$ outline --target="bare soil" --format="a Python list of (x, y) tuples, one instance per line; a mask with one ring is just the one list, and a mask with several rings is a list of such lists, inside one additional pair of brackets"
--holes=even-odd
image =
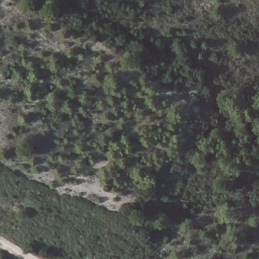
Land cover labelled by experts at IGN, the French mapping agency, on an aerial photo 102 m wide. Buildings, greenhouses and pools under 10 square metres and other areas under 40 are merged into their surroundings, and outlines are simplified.
[(104, 205), (109, 210), (119, 210), (120, 206), (126, 203), (135, 202), (137, 199), (133, 195), (104, 191), (98, 178), (94, 176), (80, 175), (77, 179), (80, 179), (82, 184), (67, 183), (59, 186), (51, 170), (34, 173), (32, 178), (38, 182), (49, 184), (53, 181), (53, 186), (60, 194), (79, 195), (80, 192), (87, 192), (107, 197), (107, 200), (100, 202), (99, 205)]

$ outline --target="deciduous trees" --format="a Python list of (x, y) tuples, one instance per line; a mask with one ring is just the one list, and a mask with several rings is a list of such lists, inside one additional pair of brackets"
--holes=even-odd
[(239, 52), (236, 51), (234, 41), (228, 45), (225, 38), (194, 38), (185, 35), (179, 40), (179, 44), (174, 40), (172, 44), (168, 37), (163, 36), (155, 28), (124, 27), (111, 18), (102, 18), (94, 0), (10, 0), (7, 6), (17, 6), (23, 12), (35, 11), (39, 18), (45, 21), (54, 19), (51, 27), (55, 31), (65, 27), (65, 37), (78, 37), (81, 41), (91, 39), (102, 42), (109, 49), (115, 49), (115, 53), (121, 55), (119, 62), (121, 71), (131, 71), (140, 66), (145, 74), (146, 87), (152, 91), (166, 91), (166, 95), (169, 95), (168, 101), (172, 103), (168, 108), (167, 128), (174, 131), (175, 123), (179, 122), (182, 125), (182, 137), (177, 140), (179, 163), (164, 163), (159, 170), (148, 166), (140, 171), (133, 168), (133, 174), (129, 177), (133, 179), (134, 185), (142, 190), (150, 186), (155, 190), (149, 201), (141, 197), (137, 199), (135, 202), (126, 203), (129, 208), (137, 210), (138, 217), (144, 217), (142, 226), (138, 226), (135, 232), (144, 231), (145, 236), (150, 237), (150, 240), (147, 240), (151, 249), (150, 259), (259, 259), (259, 97), (253, 96), (252, 93), (228, 92), (223, 90), (222, 85), (213, 84), (214, 78), (223, 75), (230, 68), (209, 61), (210, 48), (227, 46), (228, 54), (235, 59), (240, 58)]

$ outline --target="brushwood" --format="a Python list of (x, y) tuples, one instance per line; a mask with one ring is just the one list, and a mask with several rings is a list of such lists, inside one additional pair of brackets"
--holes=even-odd
[(227, 22), (222, 16), (213, 21), (205, 9), (196, 12), (192, 0), (94, 0), (102, 18), (111, 18), (124, 27), (155, 28), (163, 36), (168, 37), (172, 44), (174, 40), (179, 44), (179, 40), (185, 35), (194, 38), (225, 38), (228, 45), (234, 41), (236, 51), (239, 52), (247, 46), (249, 40), (259, 39), (259, 0), (218, 0), (222, 6), (234, 3), (235, 6), (246, 6), (246, 11), (234, 15)]
[(99, 82), (96, 76), (99, 71), (95, 67), (100, 63), (101, 57), (106, 55), (104, 51), (97, 51), (97, 57), (85, 58), (78, 55), (76, 68), (72, 71), (56, 64), (54, 56), (57, 52), (53, 50), (44, 51), (38, 46), (31, 49), (18, 45), (14, 40), (15, 36), (25, 36), (29, 42), (36, 41), (38, 34), (31, 33), (29, 20), (39, 18), (35, 11), (23, 12), (23, 20), (19, 15), (15, 15), (9, 24), (0, 25), (0, 73), (5, 79), (12, 78), (17, 82), (15, 86), (7, 85), (6, 88), (23, 91), (27, 101), (38, 100), (35, 105), (25, 105), (26, 109), (33, 108), (33, 112), (41, 114), (51, 110), (50, 123), (47, 123), (48, 131), (54, 131), (55, 136), (59, 137), (54, 142), (56, 148), (49, 154), (33, 154), (25, 136), (18, 136), (10, 129), (9, 135), (12, 135), (13, 139), (7, 140), (5, 148), (0, 148), (0, 236), (21, 248), (25, 254), (33, 254), (41, 259), (150, 259), (151, 249), (147, 240), (150, 240), (150, 237), (145, 236), (144, 231), (135, 232), (138, 226), (142, 226), (144, 217), (138, 217), (137, 210), (129, 208), (126, 203), (120, 206), (119, 210), (109, 210), (104, 205), (99, 205), (100, 202), (107, 200), (107, 197), (87, 192), (80, 192), (79, 195), (60, 194), (53, 186), (53, 181), (49, 184), (38, 182), (32, 178), (34, 173), (51, 170), (59, 186), (67, 183), (82, 184), (80, 179), (77, 179), (80, 175), (94, 176), (98, 178), (104, 191), (133, 195), (137, 199), (141, 197), (149, 201), (155, 190), (150, 186), (142, 190), (134, 185), (133, 179), (129, 177), (133, 174), (133, 168), (140, 171), (148, 166), (159, 170), (164, 163), (179, 163), (177, 140), (182, 137), (182, 125), (179, 122), (175, 123), (174, 131), (167, 128), (168, 108), (172, 103), (168, 101), (169, 95), (166, 95), (166, 91), (152, 91), (146, 87), (145, 74), (140, 66), (131, 71), (121, 71), (119, 62), (112, 63), (111, 72), (107, 73), (103, 82)]

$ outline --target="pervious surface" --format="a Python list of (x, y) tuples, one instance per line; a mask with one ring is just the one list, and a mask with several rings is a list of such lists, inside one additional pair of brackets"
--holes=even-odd
[(21, 248), (0, 236), (0, 259), (41, 259), (33, 254), (25, 254)]

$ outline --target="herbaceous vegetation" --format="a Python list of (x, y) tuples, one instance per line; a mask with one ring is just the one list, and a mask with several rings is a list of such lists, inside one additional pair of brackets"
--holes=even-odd
[(55, 136), (54, 131), (48, 131), (47, 123), (50, 123), (51, 110), (41, 114), (33, 112), (33, 108), (26, 109), (25, 105), (35, 105), (38, 100), (27, 101), (23, 91), (6, 88), (7, 85), (15, 86), (17, 82), (12, 78), (5, 79), (0, 73), (0, 148), (5, 148), (7, 140), (13, 139), (12, 135), (9, 135), (10, 129), (18, 136), (25, 136), (33, 154), (49, 154), (56, 148), (54, 142), (59, 137)]
[(65, 27), (55, 31), (51, 27), (54, 19), (45, 21), (39, 18), (29, 20), (31, 33), (38, 34), (36, 41), (29, 42), (25, 36), (15, 36), (14, 40), (18, 45), (31, 49), (38, 46), (44, 51), (53, 50), (57, 52), (54, 56), (56, 64), (72, 71), (76, 68), (78, 55), (85, 58), (97, 57), (97, 51), (104, 51), (106, 55), (101, 57), (100, 63), (95, 67), (99, 71), (96, 76), (99, 82), (103, 82), (107, 73), (111, 72), (112, 63), (119, 62), (121, 55), (115, 53), (115, 49), (109, 49), (102, 42), (91, 39), (81, 41), (78, 37), (65, 37)]
[(15, 15), (19, 15), (23, 20), (23, 12), (17, 6), (7, 6), (10, 0), (0, 0), (0, 25), (9, 24)]
[(227, 46), (210, 48), (209, 61), (230, 68), (223, 75), (214, 78), (213, 84), (222, 85), (223, 90), (228, 92), (252, 93), (253, 96), (259, 97), (259, 39), (249, 40), (247, 46), (239, 52), (240, 58), (235, 59), (228, 54)]
[(234, 15), (246, 11), (246, 6), (235, 6), (234, 3), (222, 6), (218, 0), (192, 0), (196, 12), (205, 9), (213, 21), (222, 16), (227, 22)]

